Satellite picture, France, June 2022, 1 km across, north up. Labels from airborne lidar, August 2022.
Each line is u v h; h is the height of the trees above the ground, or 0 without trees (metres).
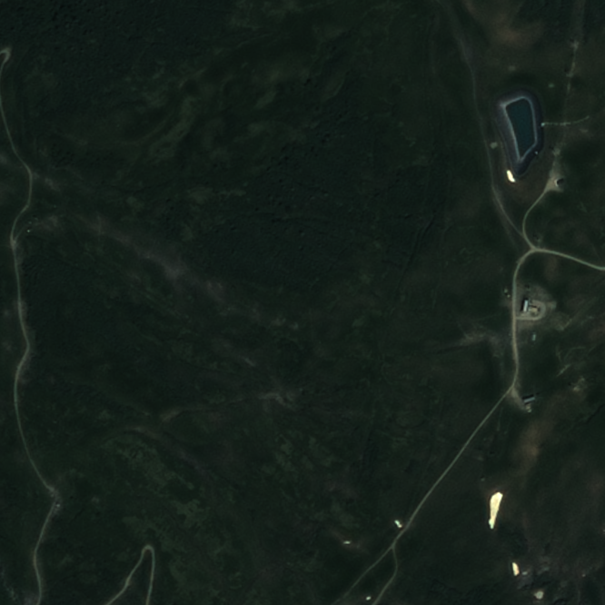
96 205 0
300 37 0
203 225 0
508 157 0
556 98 0
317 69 0
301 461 0
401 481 0
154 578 0
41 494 0
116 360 0
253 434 0
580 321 0
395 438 0
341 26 0
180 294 0
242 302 0
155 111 0
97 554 0
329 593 0
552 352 0
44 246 0
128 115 0
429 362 0
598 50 0
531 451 0
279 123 0
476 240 0
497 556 0
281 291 0
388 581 0
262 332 0
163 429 0
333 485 0
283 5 0
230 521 0
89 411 0
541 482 0
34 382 0
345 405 0
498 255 0
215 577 0
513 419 0
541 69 0
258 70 0
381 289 0
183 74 0
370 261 0
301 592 0
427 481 0
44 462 0
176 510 0
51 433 0
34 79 0
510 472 0
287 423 0
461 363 0
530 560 0
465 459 0
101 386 0
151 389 0
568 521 0
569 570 0
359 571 0
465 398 0
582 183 0
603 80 0
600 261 0
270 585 0
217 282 0
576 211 0
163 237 0
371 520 0
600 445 0
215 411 0
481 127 0
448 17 0
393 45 0
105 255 0
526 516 0
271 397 0
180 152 0
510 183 0
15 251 0
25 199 0
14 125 0
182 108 0
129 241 0
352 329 0
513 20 0
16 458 0
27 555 0
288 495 0
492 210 0
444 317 0
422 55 0
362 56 0
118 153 0
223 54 0
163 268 0
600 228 0
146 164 0
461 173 0
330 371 0
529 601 0
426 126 0
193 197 0
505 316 0
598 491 0
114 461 0
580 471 0
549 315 0
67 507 0
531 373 0
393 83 0
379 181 0
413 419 0
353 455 0
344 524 0
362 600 0
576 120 0
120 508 0
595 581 0
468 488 0
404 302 0
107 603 0
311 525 0
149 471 0
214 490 0
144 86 0
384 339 0
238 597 0
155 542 0
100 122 0
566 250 0
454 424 0
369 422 0
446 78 0
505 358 0
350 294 0
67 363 0
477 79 0
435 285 0
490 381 0
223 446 0
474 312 0
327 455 0
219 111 0
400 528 0
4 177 0
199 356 0
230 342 0
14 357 0
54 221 0
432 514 0
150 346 0
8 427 0
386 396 0
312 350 0
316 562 0
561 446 0
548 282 0
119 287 0
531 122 0
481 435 0
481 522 0
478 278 0
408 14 0
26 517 0
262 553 0
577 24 0
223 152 0
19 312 0
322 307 0
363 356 0
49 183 0
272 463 0
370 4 0
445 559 0
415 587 0
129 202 0
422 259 0
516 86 0
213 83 0
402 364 0
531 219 0
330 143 6
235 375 0
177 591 0
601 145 0
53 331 0
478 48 0
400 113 0
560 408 0
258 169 0
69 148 0
